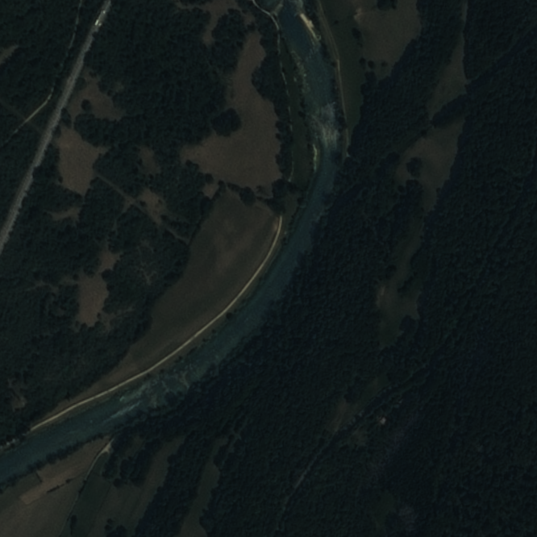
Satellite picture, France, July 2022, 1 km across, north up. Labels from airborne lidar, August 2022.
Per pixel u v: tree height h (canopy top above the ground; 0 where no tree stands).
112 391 0
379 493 14
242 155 0
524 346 23
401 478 23
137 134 19
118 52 9
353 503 19
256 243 0
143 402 0
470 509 27
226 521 23
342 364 18
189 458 7
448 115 26
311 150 11
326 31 0
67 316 5
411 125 20
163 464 0
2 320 16
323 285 25
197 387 16
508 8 26
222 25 19
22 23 22
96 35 17
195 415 16
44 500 0
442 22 22
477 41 25
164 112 20
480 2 24
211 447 13
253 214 0
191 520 0
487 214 25
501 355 19
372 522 24
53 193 12
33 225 6
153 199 0
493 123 25
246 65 0
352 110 0
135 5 6
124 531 16
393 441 16
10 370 6
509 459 23
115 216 7
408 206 25
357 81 0
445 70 0
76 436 0
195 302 0
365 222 26
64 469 0
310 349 14
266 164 0
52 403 17
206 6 0
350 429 16
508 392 28
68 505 0
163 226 0
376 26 0
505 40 18
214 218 0
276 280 0
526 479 23
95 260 6
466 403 27
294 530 17
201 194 7
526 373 22
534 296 19
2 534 0
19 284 12
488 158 24
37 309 11
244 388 21
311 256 7
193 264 0
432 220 16
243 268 0
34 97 7
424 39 16
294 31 0
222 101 26
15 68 24
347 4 0
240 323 0
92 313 0
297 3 0
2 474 0
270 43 21
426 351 19
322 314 13
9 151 9
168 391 0
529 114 24
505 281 23
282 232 0
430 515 25
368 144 29
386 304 0
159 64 19
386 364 23
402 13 0
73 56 13
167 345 0
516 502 27
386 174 22
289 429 20
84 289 0
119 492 0
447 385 23
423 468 19
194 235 6
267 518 16
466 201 21
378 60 0
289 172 16
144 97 18
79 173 0
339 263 18
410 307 0
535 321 21
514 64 21
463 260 26
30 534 0
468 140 23
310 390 17
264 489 12
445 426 27
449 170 0
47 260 7
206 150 0
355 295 17
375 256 17
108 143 9
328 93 0
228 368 23
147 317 15
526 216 22
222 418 11
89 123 13
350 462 15
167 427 26
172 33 8
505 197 26
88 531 0
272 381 30
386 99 26
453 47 10
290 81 0
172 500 22
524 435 21
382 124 25
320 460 13
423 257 9
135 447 0
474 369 22
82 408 0
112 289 17
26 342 10
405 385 21
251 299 0
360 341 20
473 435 26
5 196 12
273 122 0
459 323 22
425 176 0
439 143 0
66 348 16
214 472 0
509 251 27
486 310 24
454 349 19
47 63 21
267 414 23
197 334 0
